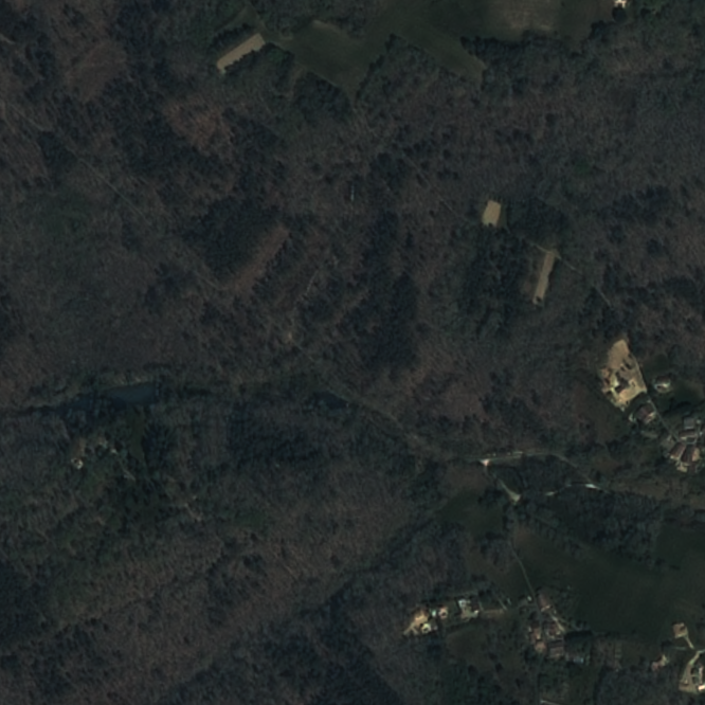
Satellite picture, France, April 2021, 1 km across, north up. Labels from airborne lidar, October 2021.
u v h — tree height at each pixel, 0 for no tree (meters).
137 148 21
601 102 15
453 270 10
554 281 15
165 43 20
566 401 19
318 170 11
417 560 17
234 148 11
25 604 24
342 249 17
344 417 22
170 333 9
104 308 15
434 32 0
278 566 11
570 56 6
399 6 0
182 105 14
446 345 19
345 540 16
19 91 15
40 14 15
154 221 20
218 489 15
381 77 15
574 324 11
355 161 9
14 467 20
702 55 13
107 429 11
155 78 18
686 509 14
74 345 16
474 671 12
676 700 19
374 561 16
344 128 22
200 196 13
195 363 13
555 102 18
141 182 17
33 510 10
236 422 20
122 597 18
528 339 14
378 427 11
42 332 15
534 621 8
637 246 11
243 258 26
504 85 13
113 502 6
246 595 16
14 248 22
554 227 21
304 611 11
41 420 12
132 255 28
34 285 17
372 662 22
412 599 10
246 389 15
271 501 18
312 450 17
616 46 15
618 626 0
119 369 12
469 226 14
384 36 0
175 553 12
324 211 14
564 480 12
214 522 12
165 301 16
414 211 12
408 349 25
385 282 26
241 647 21
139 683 14
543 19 0
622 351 0
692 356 15
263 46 0
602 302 9
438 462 18
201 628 12
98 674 10
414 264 7
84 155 18
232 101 11
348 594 20
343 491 20
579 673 11
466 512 0
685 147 14
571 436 25
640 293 12
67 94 16
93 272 12
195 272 22
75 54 14
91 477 21
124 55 0
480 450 21
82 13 12
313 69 0
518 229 20
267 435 29
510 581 0
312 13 14
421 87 20
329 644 19
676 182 18
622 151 19
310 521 16
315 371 16
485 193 14
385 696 23
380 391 23
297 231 28
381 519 18
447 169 12
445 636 14
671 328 12
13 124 16
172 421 25
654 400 11
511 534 18
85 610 17
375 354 22
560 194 24
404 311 22
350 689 20
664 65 17
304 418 23
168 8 18
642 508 29
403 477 20
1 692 14
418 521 15
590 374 0
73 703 7
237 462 23
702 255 19
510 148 17
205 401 19
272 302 19
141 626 15
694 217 16
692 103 24
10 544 19
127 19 12
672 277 13
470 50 19
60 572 17
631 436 9
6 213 17
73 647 18
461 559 18
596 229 13
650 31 20
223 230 9
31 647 15
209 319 8
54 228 12
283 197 9
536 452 13
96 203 15
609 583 0
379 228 8
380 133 6
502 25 0
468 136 10
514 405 13
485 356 15
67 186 20
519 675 0
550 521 22
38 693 10
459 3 0
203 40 18
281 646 16
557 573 0
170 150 18
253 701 18
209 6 13
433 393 11
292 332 17
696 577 0
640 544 13
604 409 0
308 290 16
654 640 0
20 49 7
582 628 8
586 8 0
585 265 17
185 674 13
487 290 16
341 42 0
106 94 9
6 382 19
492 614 0
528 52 17
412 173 16
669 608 0
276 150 30
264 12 14
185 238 15
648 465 10
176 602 17
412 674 11
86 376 15
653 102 18
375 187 10
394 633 15
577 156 10
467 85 18
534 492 20
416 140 7
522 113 13
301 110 17
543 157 13
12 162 13
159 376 22
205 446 22
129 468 8
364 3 23
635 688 21
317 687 21
